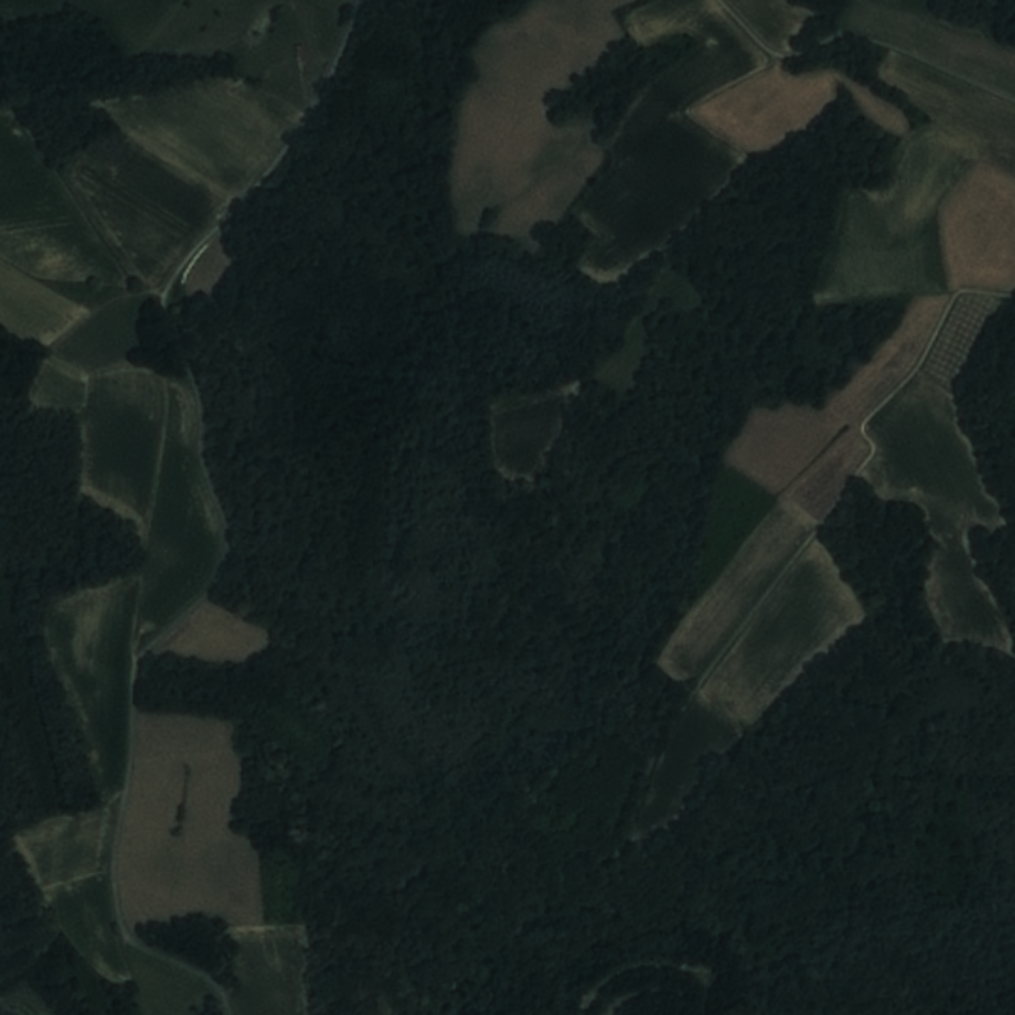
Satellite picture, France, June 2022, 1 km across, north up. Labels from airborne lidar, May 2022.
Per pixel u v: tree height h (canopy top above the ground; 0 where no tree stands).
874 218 0
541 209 0
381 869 21
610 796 8
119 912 0
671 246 9
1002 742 15
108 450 0
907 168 0
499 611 11
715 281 19
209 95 0
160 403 0
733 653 0
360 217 27
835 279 0
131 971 0
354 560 16
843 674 19
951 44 0
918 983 10
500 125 0
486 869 17
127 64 20
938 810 8
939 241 0
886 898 13
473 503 16
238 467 13
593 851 13
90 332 0
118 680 0
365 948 17
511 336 22
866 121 16
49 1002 11
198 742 0
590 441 11
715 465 14
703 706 0
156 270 0
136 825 0
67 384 0
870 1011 10
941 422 0
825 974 10
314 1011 14
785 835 18
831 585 0
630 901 30
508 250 18
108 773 0
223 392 10
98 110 13
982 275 0
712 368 24
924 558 16
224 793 0
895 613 16
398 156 14
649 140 0
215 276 0
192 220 0
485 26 14
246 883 0
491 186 0
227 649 0
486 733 12
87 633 0
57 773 11
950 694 0
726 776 23
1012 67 0
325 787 13
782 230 15
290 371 16
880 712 25
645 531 22
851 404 0
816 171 27
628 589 16
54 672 11
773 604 0
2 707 12
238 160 0
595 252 0
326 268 23
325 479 11
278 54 0
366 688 8
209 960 16
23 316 0
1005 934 12
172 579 0
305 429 19
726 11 0
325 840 15
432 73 21
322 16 0
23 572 15
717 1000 14
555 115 18
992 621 0
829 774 17
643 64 12
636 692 15
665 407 14
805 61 11
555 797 9
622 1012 10
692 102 0
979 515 0
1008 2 18
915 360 0
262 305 26
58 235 0
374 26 11
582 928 19
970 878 8
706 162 0
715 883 16
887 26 0
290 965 0
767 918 16
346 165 26
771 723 14
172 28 0
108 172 0
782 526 0
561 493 18
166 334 23
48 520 16
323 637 19
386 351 27
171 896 0
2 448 13
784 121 0
